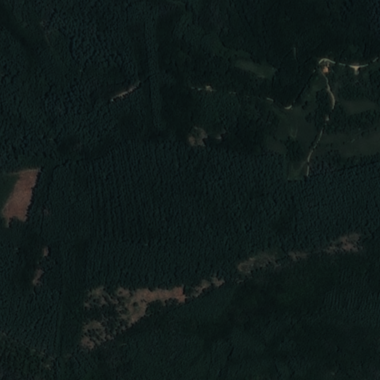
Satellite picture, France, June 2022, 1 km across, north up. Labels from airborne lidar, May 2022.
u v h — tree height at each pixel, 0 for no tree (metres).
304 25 10
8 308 26
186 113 24
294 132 0
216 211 23
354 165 7
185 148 24
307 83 10
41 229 25
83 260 27
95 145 29
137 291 12
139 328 11
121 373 14
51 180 23
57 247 25
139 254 26
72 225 30
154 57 27
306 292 14
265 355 27
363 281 21
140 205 28
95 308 11
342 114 9
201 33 16
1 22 14
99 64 30
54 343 23
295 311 14
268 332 27
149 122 19
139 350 22
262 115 15
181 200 28
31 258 29
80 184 25
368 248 13
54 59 22
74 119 27
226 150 24
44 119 36
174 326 16
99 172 23
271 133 7
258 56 23
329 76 7
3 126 32
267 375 10
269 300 20
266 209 29
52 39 10
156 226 28
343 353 23
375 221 24
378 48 12
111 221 22
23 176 0
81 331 19
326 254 12
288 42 8
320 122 7
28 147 30
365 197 30
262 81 17
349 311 25
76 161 14
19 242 26
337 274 14
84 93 23
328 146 9
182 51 11
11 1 11
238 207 30
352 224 26
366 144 0
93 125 27
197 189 28
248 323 16
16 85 33
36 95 19
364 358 20
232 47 17
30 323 22
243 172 35
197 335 15
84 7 29
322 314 21
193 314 25
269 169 30
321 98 11
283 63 15
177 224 26
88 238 26
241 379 18
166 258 27
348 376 32
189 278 21
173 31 21
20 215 0
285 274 12
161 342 20
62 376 19
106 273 25
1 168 38
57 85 21
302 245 18
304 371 32
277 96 12
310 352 24
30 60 28
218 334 17
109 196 24
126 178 27
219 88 10
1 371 18
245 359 28
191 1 25
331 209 27
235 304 13
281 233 18
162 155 32
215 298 24
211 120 12
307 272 13
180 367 20
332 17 19
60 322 18
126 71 29
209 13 9
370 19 26
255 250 27
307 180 27
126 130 19
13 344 10
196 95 12
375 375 21
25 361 12
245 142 25
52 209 30
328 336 25
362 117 12
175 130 23
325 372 13
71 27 31
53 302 24
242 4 20
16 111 32
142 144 21
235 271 15
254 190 30
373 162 12
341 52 6
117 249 27
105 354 12
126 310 14
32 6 13
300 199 28
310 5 7
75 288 22
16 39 30
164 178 28
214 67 16
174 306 13
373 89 8
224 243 30
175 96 31
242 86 10
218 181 21
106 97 22
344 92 8
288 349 34
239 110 8
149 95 18
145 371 20
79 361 18
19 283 29
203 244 20
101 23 31
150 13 29
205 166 26
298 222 28
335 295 18
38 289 17
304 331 22
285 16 9
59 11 17
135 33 19
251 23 24
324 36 9
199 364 29
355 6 28
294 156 14
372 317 27
